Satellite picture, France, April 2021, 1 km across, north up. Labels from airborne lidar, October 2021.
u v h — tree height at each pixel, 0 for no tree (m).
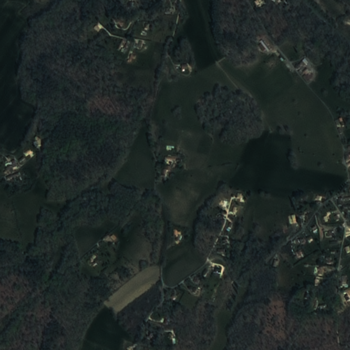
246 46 19
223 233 10
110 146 26
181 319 11
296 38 27
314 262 0
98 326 0
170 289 8
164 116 0
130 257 0
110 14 22
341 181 0
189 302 0
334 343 14
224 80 0
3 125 0
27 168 0
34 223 0
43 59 20
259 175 0
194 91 0
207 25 0
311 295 18
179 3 17
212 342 19
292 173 0
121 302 0
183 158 9
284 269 0
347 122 20
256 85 0
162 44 0
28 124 0
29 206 0
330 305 20
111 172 25
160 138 8
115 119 20
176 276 0
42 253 18
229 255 8
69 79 22
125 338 0
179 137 0
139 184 0
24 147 13
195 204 0
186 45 22
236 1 8
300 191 0
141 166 0
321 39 30
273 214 0
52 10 20
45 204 0
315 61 22
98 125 21
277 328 13
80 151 23
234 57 21
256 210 0
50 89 25
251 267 28
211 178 0
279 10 19
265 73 0
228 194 14
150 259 12
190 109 0
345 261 0
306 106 0
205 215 22
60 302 16
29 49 20
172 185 0
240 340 21
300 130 0
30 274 12
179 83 0
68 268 16
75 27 21
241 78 0
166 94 0
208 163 0
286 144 0
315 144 0
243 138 21
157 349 20
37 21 23
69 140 27
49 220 23
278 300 10
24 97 20
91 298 24
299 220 12
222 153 0
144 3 23
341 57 23
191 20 0
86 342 0
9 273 10
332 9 0
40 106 21
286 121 0
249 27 16
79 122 26
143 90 14
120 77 0
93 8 23
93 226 15
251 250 25
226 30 12
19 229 6
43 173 16
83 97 20
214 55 0
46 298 23
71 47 15
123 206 21
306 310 18
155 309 9
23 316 7
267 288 24
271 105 0
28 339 7
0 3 0
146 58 0
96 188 11
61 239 20
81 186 27
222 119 20
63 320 21
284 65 0
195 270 0
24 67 22
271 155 0
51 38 22
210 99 23
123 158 28
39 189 0
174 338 0
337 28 13
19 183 8
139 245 0
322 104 0
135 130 23
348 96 18
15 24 0
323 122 0
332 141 0
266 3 14
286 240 0
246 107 27
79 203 21
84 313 21
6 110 0
